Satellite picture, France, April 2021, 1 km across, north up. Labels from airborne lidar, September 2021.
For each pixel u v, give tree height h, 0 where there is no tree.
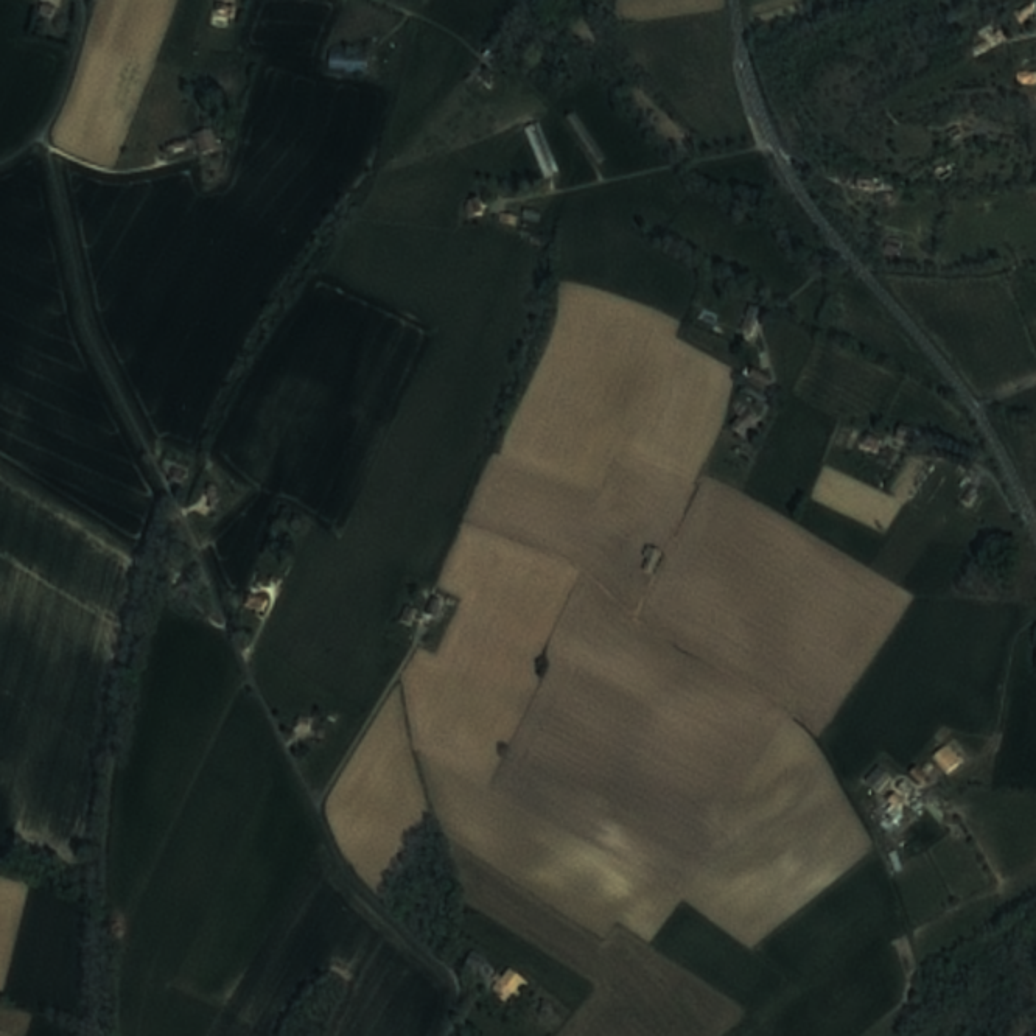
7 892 0
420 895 22
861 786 0
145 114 0
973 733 0
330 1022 17
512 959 0
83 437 0
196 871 0
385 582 0
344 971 0
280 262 0
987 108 18
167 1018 0
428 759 0
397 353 0
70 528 0
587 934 0
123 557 0
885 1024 0
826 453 0
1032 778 0
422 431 0
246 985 0
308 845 0
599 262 0
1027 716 0
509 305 0
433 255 0
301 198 0
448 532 0
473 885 0
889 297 0
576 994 0
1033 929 23
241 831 0
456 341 0
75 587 0
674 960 0
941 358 0
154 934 0
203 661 0
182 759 0
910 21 8
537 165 0
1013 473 0
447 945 12
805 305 0
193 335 0
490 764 0
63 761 0
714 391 0
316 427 0
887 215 11
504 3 0
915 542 0
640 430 0
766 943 0
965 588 18
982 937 13
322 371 0
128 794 0
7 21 0
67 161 0
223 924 0
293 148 0
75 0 12
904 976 0
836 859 0
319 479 0
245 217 0
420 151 0
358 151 0
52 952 0
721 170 0
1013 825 0
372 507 0
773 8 0
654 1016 0
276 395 0
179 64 0
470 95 0
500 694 0
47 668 0
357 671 0
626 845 0
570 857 0
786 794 0
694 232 0
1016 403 0
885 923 0
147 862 0
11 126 0
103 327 0
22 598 0
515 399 10
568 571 0
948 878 0
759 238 0
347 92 0
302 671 0
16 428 0
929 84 0
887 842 0
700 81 0
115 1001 13
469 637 0
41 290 0
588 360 0
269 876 0
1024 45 0
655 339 0
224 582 0
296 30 0
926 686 0
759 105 0
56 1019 16
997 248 0
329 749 0
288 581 0
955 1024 23
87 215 0
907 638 0
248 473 0
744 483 0
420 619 0
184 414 0
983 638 0
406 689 0
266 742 0
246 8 7
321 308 0
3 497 0
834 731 0
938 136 7
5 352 0
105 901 15
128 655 17
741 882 0
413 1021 0
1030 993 13
